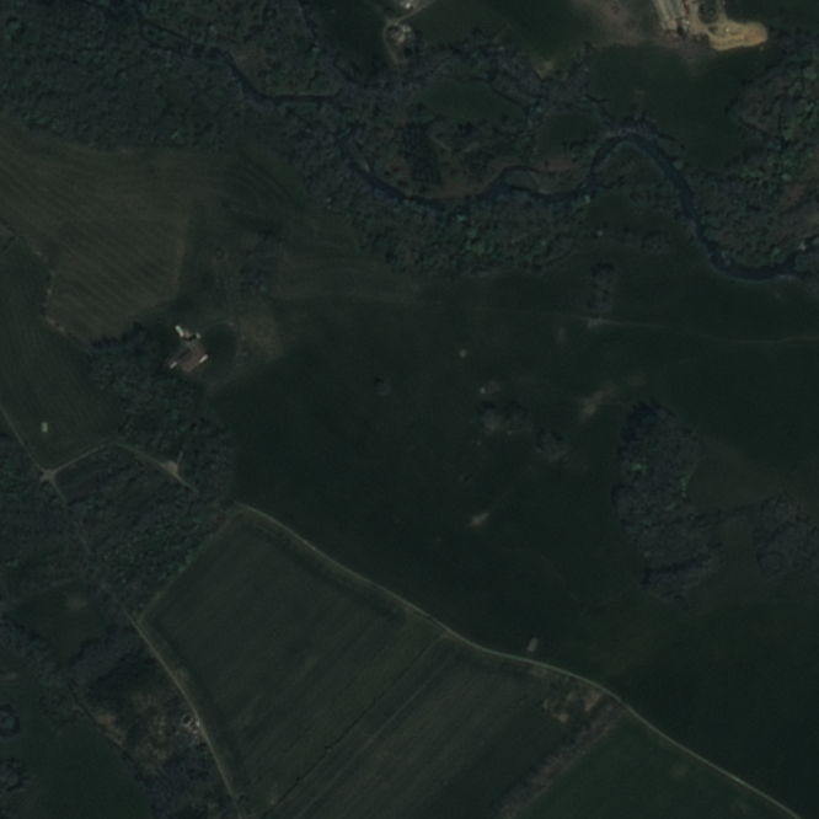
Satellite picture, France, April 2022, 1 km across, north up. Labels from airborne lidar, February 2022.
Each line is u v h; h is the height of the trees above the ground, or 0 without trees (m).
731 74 0
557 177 0
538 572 0
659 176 0
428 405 0
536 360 0
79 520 18
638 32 0
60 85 23
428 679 0
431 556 0
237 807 13
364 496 0
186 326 0
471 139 20
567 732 0
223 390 0
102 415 0
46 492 16
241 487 0
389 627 0
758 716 0
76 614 0
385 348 0
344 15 0
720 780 0
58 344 0
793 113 21
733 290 0
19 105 13
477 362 0
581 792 0
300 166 21
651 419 23
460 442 0
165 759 0
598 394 0
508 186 0
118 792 0
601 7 0
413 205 15
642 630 0
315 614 0
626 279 0
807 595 0
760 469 0
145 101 21
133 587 15
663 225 0
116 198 0
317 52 14
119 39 19
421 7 0
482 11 0
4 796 16
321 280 0
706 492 0
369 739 0
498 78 11
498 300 0
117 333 0
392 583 0
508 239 28
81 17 20
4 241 0
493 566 0
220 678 0
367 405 0
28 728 0
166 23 6
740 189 22
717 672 0
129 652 20
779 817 0
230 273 0
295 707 0
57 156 0
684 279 0
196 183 0
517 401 0
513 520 0
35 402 0
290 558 0
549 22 0
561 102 22
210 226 0
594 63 0
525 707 0
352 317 0
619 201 0
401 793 0
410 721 0
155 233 0
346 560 0
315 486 0
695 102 0
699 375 0
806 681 0
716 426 0
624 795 0
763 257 9
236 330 0
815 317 0
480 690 0
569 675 0
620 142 0
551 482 0
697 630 0
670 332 0
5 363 0
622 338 0
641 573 0
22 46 19
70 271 0
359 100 21
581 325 0
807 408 0
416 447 0
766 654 0
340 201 14
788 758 0
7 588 0
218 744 0
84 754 0
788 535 18
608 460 0
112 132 19
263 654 0
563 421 0
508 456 0
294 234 0
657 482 23
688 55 0
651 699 0
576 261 0
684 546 18
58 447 0
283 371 0
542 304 0
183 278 0
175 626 0
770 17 0
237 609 0
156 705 0
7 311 0
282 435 0
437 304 0
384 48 0
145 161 0
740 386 0
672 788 0
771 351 0
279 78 20
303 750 0
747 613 0
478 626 0
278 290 0
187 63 22
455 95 0
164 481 18
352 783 0
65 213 0
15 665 0
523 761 0
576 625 0
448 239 12
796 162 8
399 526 0
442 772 0
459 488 0
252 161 0
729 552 0
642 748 0
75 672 19
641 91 0
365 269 0
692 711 0
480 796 0
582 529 0
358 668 0
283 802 0
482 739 0
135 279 0
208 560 0
